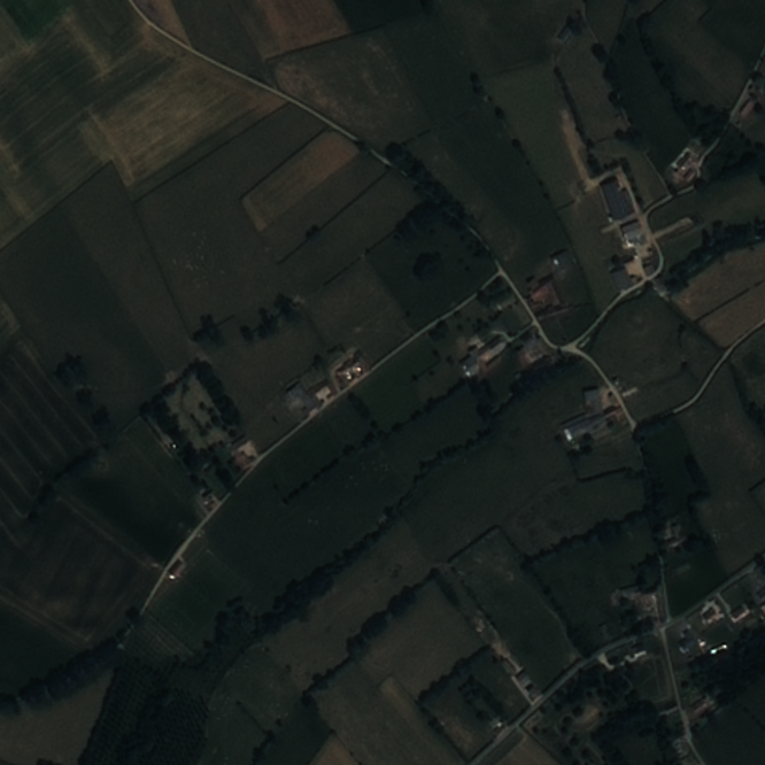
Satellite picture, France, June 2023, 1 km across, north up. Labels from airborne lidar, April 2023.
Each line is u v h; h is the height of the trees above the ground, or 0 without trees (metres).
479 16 0
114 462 0
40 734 0
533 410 0
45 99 0
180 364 0
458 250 0
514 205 0
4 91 0
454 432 0
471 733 0
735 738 0
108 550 0
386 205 0
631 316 0
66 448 0
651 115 0
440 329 7
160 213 0
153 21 0
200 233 0
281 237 0
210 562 0
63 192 0
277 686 0
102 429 25
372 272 0
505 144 0
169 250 0
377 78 0
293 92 0
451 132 0
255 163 0
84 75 0
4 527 0
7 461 0
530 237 0
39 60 0
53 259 0
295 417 0
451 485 0
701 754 0
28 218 0
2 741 0
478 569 0
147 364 0
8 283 0
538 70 0
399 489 0
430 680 0
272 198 0
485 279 0
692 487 0
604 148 0
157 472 0
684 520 0
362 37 0
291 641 0
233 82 0
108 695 9
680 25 0
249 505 0
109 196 0
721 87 0
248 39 0
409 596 14
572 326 0
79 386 0
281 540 0
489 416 25
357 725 0
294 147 0
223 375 0
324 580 22
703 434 0
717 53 0
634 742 0
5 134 0
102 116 0
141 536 0
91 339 0
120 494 0
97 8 0
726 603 0
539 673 0
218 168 0
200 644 0
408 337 0
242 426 0
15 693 0
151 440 0
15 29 0
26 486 0
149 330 0
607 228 0
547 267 0
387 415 0
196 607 0
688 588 0
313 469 0
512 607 0
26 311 0
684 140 0
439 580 14
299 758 0
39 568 0
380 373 0
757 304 0
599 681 8
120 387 0
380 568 0
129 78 0
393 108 0
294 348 0
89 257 0
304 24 0
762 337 0
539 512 0
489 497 0
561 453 0
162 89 0
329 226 0
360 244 0
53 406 0
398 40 0
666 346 0
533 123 0
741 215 0
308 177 0
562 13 0
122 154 0
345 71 0
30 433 0
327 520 0
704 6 0
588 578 0
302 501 0
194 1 0
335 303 0
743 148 0
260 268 0
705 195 0
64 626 0
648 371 0
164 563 0
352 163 0
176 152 0
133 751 18
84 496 0
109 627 0
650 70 0
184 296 0
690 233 0
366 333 0
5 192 0
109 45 0
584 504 0
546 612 0
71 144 0
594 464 0
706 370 0
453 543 0
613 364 0
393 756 0
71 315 0
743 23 0
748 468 0
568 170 0
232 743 0
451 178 0
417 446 0
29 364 0
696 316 0
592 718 0
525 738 0
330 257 0
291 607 26
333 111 0
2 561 0
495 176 0
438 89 0
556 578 0
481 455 0
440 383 0
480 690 11
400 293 0
